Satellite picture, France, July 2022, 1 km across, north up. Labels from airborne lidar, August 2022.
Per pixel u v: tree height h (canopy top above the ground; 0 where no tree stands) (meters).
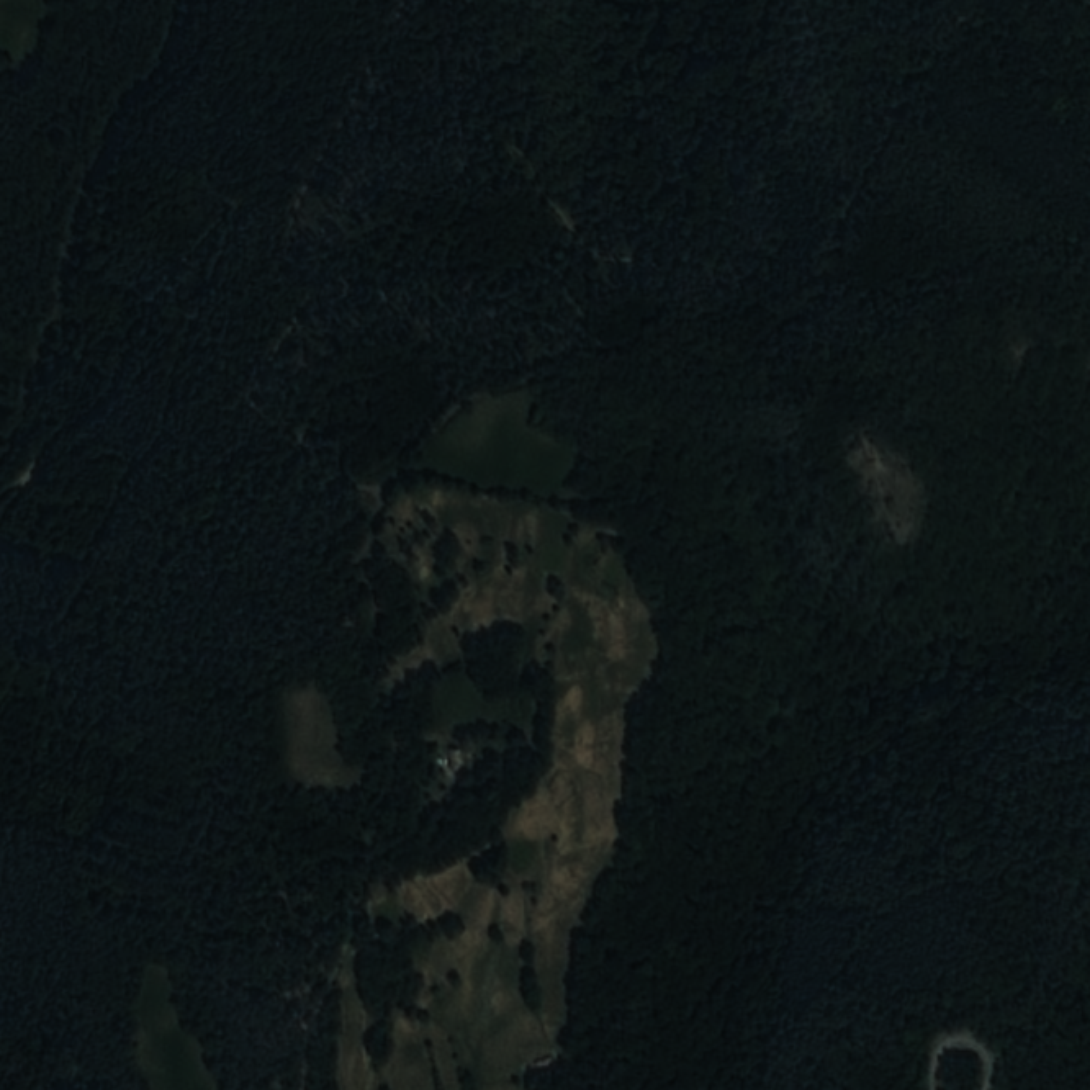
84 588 14
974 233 10
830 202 12
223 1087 15
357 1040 0
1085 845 27
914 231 11
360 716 13
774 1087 26
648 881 25
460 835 19
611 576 0
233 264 17
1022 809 27
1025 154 17
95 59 35
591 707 0
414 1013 9
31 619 36
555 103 11
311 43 16
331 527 12
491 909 0
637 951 24
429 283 20
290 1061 20
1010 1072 17
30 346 14
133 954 19
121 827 27
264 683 7
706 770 20
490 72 22
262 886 12
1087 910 27
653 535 20
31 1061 12
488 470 0
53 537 12
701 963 28
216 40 21
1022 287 13
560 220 7
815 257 27
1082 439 21
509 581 0
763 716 21
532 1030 0
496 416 0
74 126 32
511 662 22
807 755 28
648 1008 26
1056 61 19
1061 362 16
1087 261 21
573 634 0
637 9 29
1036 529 22
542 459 0
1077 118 16
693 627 22
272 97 14
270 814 10
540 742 18
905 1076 11
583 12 21
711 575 25
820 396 11
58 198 26
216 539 19
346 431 13
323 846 12
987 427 17
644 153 33
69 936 25
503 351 16
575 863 0
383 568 11
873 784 26
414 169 25
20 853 22
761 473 22
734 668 23
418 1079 0
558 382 16
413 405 11
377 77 16
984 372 15
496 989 0
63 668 19
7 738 11
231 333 15
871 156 14
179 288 26
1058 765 24
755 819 30
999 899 20
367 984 19
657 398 16
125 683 16
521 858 0
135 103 26
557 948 0
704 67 42
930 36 20
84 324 20
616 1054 19
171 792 21
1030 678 31
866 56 12
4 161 29
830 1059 14
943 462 21
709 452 21
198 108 27
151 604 7
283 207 22
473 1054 0
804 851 21
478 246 9
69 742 9
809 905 18
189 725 24
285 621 13
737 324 16
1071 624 24
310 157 16
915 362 13
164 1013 0
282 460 12
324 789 11
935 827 29
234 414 14
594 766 0
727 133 31
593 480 16
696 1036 33
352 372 10
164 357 21
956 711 23
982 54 14
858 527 8
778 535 23
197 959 21
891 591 22
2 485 10
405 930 15
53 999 27
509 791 21
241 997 21
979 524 25
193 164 20
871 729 29
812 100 9
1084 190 15
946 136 15
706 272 26
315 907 14
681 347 18
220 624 17
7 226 24
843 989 26
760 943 26
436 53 16
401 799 20
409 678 17
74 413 14
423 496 0
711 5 27
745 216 25
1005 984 21
